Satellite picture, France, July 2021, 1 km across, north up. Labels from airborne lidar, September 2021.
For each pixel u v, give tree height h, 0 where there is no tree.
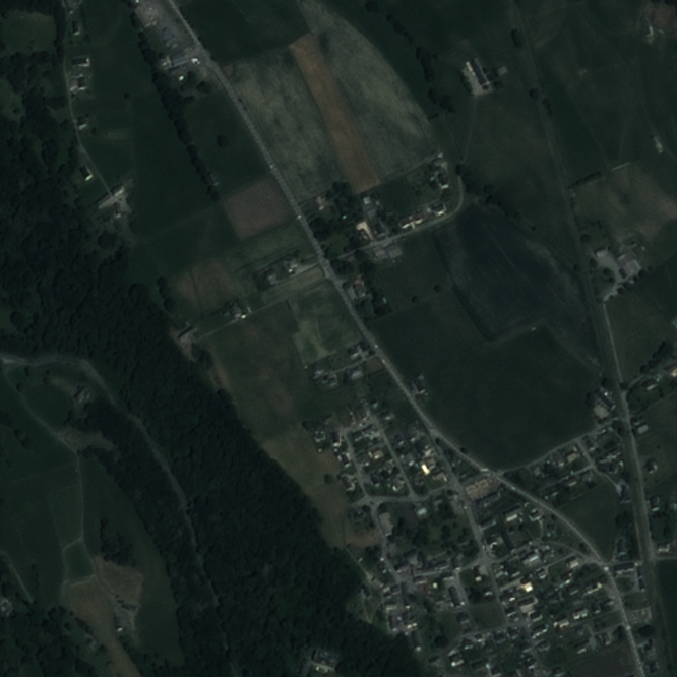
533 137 0
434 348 0
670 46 0
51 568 0
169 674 22
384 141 0
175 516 20
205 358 10
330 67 0
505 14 0
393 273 0
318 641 15
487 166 0
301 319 0
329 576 19
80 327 27
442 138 0
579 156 0
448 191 6
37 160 23
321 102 0
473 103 0
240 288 0
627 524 7
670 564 0
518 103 0
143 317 20
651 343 0
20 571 0
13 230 25
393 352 0
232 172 0
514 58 0
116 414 22
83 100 0
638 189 0
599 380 0
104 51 0
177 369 10
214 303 0
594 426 0
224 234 0
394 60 0
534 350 0
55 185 23
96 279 23
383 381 0
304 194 0
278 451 0
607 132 0
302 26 0
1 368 17
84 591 0
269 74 0
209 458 24
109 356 25
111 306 20
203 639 17
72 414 12
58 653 21
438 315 0
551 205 0
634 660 0
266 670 10
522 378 0
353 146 0
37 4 16
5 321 0
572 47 0
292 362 0
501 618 0
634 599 0
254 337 0
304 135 0
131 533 0
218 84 0
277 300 0
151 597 0
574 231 0
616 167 0
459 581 0
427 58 20
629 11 0
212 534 24
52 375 8
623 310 0
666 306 0
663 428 0
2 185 19
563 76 0
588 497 0
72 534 0
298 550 23
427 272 0
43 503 0
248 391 0
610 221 0
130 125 0
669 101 0
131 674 0
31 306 26
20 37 0
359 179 0
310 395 0
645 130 0
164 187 0
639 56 0
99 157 0
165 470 20
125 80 0
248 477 18
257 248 0
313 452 0
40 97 11
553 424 0
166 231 0
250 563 26
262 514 24
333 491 0
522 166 0
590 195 0
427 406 0
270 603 9
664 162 0
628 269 0
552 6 0
